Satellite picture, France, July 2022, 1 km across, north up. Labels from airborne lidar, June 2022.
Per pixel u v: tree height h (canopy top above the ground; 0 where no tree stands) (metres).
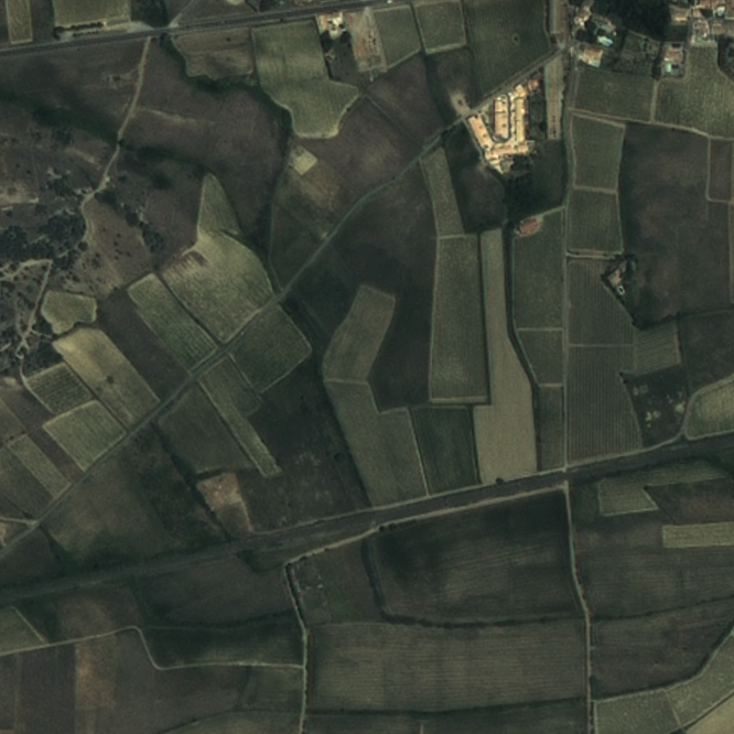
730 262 0
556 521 0
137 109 0
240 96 0
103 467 0
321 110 0
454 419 0
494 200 0
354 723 0
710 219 0
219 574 0
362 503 0
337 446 0
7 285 7
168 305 0
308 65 0
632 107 0
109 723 0
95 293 0
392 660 0
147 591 0
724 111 0
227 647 0
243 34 0
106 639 0
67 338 0
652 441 0
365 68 0
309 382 0
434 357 0
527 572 0
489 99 0
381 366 0
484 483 0
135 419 0
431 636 0
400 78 0
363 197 0
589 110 0
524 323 0
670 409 0
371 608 0
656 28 9
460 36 0
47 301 0
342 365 0
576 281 0
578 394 0
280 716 0
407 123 0
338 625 0
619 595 0
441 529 0
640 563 0
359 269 0
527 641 0
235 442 0
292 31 0
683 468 0
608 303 0
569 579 0
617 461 0
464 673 0
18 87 0
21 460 0
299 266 0
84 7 0
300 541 0
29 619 0
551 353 0
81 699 0
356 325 0
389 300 0
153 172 0
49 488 0
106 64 0
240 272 0
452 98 0
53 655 0
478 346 0
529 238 0
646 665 0
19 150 0
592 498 0
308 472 0
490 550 0
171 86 0
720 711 0
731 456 0
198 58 0
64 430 0
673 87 0
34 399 0
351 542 0
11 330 9
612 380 0
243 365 0
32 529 0
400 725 0
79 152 0
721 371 0
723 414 0
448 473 0
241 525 0
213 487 0
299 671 0
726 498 0
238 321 0
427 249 0
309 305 0
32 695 0
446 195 0
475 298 0
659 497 0
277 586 0
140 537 0
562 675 0
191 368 0
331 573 0
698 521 0
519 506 0
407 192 0
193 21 0
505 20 0
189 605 0
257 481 0
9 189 0
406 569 0
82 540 0
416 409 0
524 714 0
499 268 0
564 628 0
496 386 0
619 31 7
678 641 0
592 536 0
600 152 0
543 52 0
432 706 0
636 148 0
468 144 0
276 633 0
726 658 0
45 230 8
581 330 0
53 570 0
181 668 0
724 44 6
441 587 0
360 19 0
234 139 0
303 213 0
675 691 0
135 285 0
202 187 0
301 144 0
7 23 0
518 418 0
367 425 0
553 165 0
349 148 0
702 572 0
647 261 0
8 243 9
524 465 0
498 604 0
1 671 0
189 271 0
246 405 0
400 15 0
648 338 0
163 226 0
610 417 0
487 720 0
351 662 0
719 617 0
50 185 6
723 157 0
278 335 0
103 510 0
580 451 0
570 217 0
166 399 0
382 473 0
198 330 0
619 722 0
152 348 0
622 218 0
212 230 0
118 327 0
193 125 0
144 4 6
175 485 0
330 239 0
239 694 0
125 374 0
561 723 0
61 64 0
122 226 0
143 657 0
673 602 0
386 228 0
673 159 0
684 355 0
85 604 0
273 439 0
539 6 0
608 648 0
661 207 0
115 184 0
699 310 0
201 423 0
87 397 0
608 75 0
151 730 0
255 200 0
